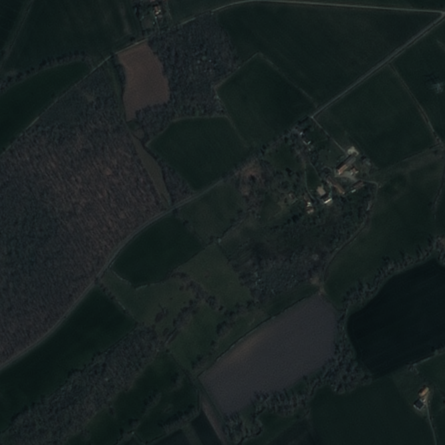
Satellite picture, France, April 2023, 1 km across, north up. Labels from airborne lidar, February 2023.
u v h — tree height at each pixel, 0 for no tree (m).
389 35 0
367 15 0
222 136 0
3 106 0
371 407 0
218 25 10
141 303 0
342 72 0
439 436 0
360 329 0
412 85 0
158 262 0
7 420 0
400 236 0
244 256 0
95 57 0
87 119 18
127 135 14
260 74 0
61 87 0
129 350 22
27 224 22
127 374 23
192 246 0
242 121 0
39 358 0
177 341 0
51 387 0
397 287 0
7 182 16
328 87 0
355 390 9
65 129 12
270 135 0
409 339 0
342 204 21
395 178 0
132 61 0
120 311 0
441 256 9
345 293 0
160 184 0
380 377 0
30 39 0
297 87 0
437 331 0
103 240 19
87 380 22
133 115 0
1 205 23
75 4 0
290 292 0
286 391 0
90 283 17
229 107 0
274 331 0
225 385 0
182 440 0
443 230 0
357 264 0
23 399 0
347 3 0
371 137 0
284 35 0
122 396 0
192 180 0
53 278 23
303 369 0
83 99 9
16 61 0
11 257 21
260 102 0
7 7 0
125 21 0
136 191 12
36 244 22
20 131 0
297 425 0
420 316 0
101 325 0
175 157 0
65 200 19
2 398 0
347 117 0
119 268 0
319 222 18
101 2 0
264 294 13
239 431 12
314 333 0
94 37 0
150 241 0
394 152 0
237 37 0
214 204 0
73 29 0
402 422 0
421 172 0
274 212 0
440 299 0
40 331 12
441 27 0
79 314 0
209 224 0
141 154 0
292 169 0
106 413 0
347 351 6
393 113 0
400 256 0
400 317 0
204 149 0
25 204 23
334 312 0
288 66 0
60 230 22
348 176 0
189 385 0
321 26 0
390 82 0
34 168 21
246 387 0
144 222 10
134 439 0
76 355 0
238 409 0
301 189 14
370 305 0
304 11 0
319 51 0
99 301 0
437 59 0
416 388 0
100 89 12
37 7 0
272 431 0
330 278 0
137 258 0
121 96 0
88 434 17
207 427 0
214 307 22
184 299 0
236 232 0
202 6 0
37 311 23
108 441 0
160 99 0
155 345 18
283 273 7
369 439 0
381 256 0
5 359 18
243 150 0
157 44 20
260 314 0
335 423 0
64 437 17
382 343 0
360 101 0
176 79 20
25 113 0
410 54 0
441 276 0
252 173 0
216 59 9
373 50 0
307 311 0
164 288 0
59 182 23
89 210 15
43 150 19
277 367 0
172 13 0
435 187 0
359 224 12
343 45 0
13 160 9
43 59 0
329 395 0
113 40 0
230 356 0
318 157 8
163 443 0
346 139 0
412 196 0
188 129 0
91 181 16
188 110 17
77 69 0
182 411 0
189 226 14
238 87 0
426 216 0
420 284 0
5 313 23
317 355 0
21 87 0
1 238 17
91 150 21
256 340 0
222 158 0
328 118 0
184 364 0
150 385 0
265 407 33
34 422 21
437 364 0
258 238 0
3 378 0
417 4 0
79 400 9
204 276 0
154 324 0
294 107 0
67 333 0
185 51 13
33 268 22
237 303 0
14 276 15
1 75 0
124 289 0
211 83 8
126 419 0
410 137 0
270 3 0
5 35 0
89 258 20
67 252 21
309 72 0
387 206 0
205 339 0
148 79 0
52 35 0
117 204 20
